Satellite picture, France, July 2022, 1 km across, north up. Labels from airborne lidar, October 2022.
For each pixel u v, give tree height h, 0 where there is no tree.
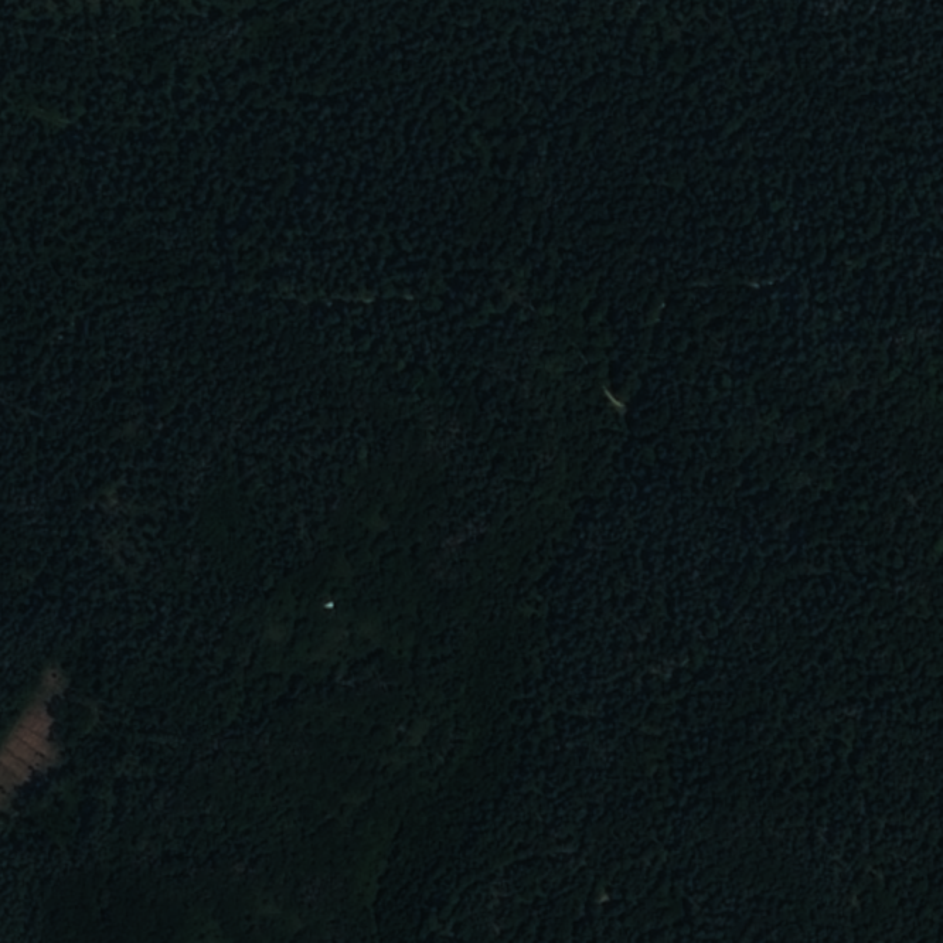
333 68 19
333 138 35
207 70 12
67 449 28
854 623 23
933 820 30
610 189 26
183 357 22
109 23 22
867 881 26
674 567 34
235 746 22
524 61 37
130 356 21
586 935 22
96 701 16
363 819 15
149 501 14
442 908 11
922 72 28
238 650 17
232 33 25
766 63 28
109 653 30
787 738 18
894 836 21
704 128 29
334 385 22
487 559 28
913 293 23
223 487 11
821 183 33
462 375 27
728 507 22
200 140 36
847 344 19
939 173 28
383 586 16
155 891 21
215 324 18
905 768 25
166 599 18
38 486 18
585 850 16
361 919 27
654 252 30
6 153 13
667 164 30
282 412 24
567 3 6
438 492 22
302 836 11
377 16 26
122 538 0
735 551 25
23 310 14
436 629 15
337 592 14
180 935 16
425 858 11
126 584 25
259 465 14
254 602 14
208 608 15
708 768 19
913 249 20
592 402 21
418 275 28
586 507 18
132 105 7
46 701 0
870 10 11
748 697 19
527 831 22
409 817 17
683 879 25
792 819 17
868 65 10
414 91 31
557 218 25
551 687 18
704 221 30
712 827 13
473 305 33
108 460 29
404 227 36
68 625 31
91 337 21
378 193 30
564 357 18
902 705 20
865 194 24
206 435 20
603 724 10
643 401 21
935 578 23
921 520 23
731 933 24
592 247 24
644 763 17
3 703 30
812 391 20
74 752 16
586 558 27
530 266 32
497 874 11
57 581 23
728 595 23
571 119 22
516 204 20
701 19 8
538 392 14
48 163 15
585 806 20
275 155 20
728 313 13
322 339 31
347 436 22
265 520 11
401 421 8
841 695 17
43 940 25
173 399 23
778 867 12
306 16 34
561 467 10
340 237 37
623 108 24
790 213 26
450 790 19
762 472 24
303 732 15
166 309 19
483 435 30
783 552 27
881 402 12
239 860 15
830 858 22
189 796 19
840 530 35
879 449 22
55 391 22
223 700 19
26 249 13
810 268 14
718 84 24
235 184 16
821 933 22
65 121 7
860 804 23
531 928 21
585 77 20
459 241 31
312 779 18
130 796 25
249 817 13
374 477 17
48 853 23
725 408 7
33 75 21
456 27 22
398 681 23
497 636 13
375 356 34
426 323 21
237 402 25
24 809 24
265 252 22
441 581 13
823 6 37
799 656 22
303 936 12
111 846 30
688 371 26
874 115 26
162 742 22
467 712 10
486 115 38
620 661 23
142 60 23
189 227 17
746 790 18
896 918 29
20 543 28
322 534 19
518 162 16
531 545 26
